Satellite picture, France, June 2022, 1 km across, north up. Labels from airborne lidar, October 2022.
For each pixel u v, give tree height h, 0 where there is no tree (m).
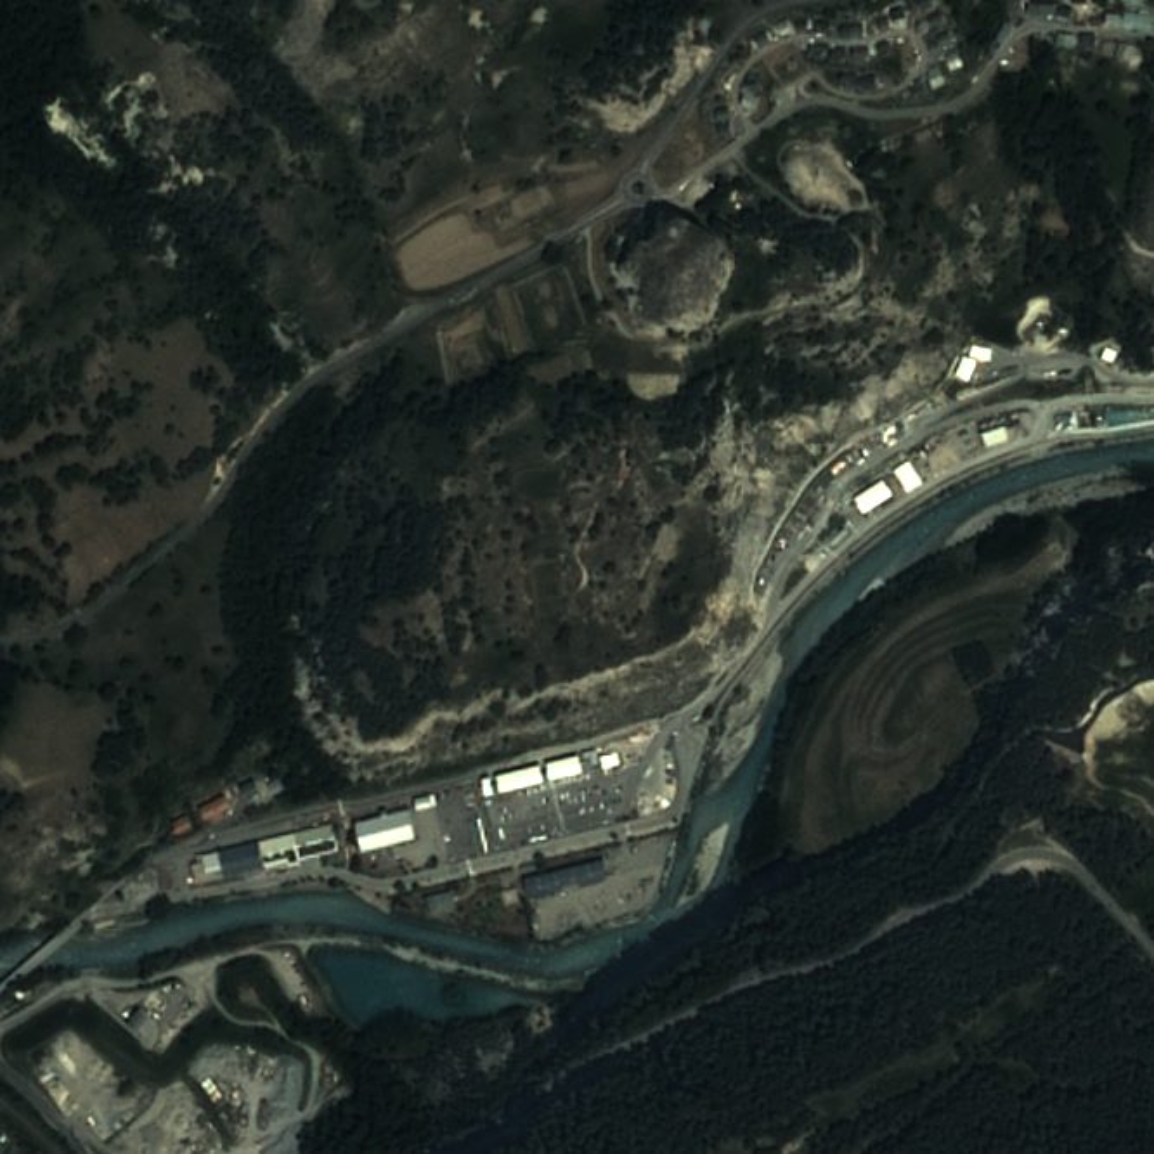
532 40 0
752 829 18
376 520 8
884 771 0
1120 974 15
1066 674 9
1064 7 0
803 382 11
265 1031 8
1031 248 13
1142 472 8
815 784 0
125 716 15
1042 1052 15
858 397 0
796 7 0
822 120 0
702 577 0
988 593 0
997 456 0
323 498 6
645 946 0
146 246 11
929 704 0
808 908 13
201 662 0
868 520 0
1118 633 8
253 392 9
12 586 11
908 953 10
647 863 0
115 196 15
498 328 0
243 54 10
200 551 0
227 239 11
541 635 0
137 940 0
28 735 0
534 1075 6
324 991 0
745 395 7
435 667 12
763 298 0
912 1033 10
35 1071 0
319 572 6
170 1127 0
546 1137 15
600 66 9
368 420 13
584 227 0
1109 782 0
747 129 0
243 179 12
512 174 0
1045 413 0
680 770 0
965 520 0
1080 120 16
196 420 0
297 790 13
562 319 0
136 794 7
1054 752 0
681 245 0
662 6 15
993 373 0
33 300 0
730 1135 7
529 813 0
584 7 0
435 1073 6
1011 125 7
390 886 0
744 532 0
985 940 15
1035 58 14
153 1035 0
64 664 0
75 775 0
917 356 0
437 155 0
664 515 8
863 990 17
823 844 0
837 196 0
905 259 9
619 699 0
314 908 0
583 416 8
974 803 9
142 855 9
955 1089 8
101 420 9
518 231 0
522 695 7
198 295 10
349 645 9
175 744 0
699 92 0
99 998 0
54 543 17
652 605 0
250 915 0
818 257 9
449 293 0
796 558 0
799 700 16
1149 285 0
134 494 13
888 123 0
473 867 0
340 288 0
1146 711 0
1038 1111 16
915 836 11
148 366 0
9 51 21
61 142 10
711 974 13
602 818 0
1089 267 12
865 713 0
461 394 18
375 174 0
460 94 0
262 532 22
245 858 0
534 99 0
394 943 9
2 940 12
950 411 0
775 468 0
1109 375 0
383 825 0
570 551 0
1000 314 0
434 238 0
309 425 20
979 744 7
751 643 0
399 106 13
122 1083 0
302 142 13
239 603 17
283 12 10
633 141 0
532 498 0
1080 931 15
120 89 10
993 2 11
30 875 0
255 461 13
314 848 0
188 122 6
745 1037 18
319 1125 7
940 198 0
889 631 0
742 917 24
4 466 11
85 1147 0
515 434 0
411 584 13
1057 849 0
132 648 0
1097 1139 18
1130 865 0
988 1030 0
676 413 7
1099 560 16
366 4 0
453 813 0
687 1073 13
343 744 0
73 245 0
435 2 0
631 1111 16
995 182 0
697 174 0
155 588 0
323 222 0
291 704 16
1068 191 14
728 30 0
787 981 14
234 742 11
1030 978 14
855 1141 15
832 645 14
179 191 9
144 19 10
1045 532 21
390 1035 25
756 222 11
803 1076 13
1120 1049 20
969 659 8
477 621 12
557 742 0
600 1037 16
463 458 6
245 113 10
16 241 0
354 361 0
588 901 0
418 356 0
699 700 0
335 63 0
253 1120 0
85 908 0
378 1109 13
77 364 8
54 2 18
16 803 13
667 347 0
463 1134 7
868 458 0
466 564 10
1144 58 6
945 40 0
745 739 0
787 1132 8
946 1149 16
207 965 0
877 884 13
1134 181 10
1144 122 13
